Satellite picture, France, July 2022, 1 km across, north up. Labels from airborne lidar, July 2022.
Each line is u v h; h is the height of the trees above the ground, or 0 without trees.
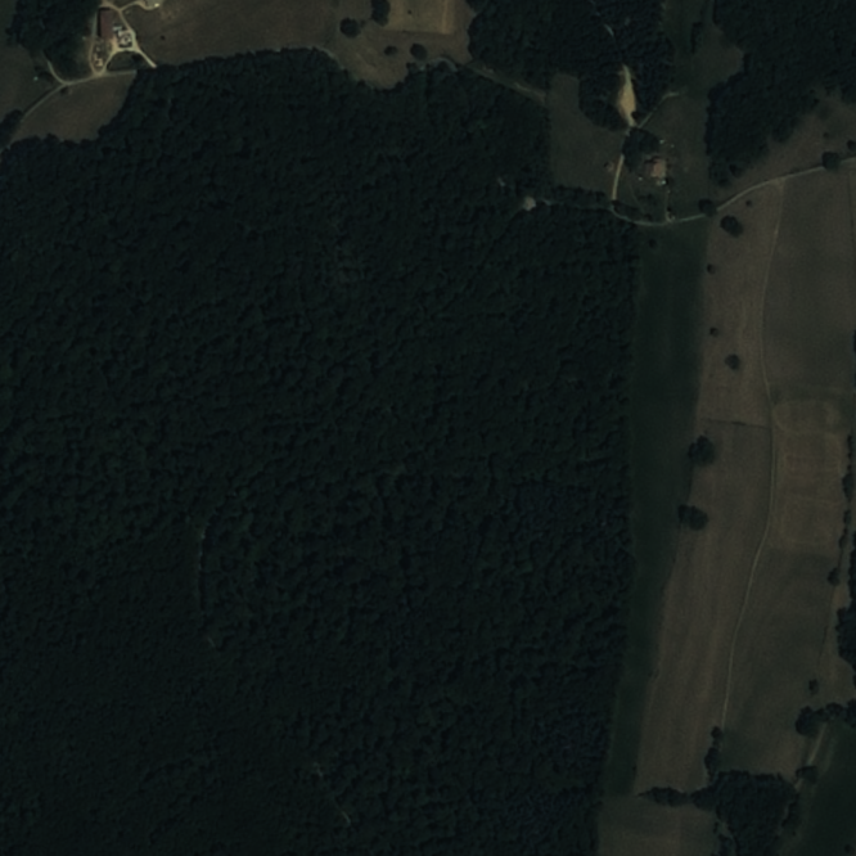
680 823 0
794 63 18
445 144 18
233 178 22
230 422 24
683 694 0
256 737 22
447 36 0
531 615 19
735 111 20
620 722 0
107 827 23
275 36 0
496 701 20
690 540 0
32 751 25
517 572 22
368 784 29
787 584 0
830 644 0
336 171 16
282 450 24
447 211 19
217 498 23
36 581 10
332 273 18
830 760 0
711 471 0
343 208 15
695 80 0
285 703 21
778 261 0
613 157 0
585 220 15
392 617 19
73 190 19
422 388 21
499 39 23
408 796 19
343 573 25
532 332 18
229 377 23
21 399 25
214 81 23
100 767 23
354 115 18
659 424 0
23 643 21
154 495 23
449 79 18
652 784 0
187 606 18
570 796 20
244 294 24
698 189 0
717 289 0
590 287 22
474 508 10
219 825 18
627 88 0
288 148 17
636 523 0
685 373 0
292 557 26
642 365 0
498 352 20
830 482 0
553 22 16
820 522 0
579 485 10
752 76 15
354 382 27
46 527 24
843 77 15
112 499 24
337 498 24
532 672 29
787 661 0
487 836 21
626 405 17
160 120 22
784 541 0
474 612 20
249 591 24
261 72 20
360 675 21
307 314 21
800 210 0
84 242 22
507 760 23
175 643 19
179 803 25
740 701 0
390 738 24
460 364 22
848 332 0
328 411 13
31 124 0
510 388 24
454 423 23
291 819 10
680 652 0
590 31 17
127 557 12
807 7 18
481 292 22
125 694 20
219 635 20
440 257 23
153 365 25
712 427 0
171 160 25
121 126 23
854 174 0
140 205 20
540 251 20
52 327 23
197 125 24
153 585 9
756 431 0
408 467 25
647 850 0
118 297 21
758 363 0
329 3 0
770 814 23
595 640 25
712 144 20
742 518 0
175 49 0
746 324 0
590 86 16
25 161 21
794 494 0
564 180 0
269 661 23
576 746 29
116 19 0
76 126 0
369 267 12
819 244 0
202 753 21
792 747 0
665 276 0
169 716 21
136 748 18
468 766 20
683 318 0
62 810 23
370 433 23
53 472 26
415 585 16
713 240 0
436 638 21
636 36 17
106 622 18
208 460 25
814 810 0
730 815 23
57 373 17
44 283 22
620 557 26
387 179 26
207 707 17
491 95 19
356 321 8
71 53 16
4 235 23
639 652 0
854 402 0
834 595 0
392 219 22
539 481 17
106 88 0
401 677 24
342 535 28
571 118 0
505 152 18
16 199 21
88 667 19
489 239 16
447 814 26
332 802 12
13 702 25
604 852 0
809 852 0
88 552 7
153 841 19
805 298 0
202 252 21
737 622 0
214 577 16
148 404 22
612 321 24
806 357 0
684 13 0
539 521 27
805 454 0
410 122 15
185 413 24
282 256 22
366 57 0
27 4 19
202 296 19
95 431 19
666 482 0
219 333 24
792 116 13
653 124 0
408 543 19
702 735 0
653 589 0
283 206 22
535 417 18
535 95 0
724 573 0
